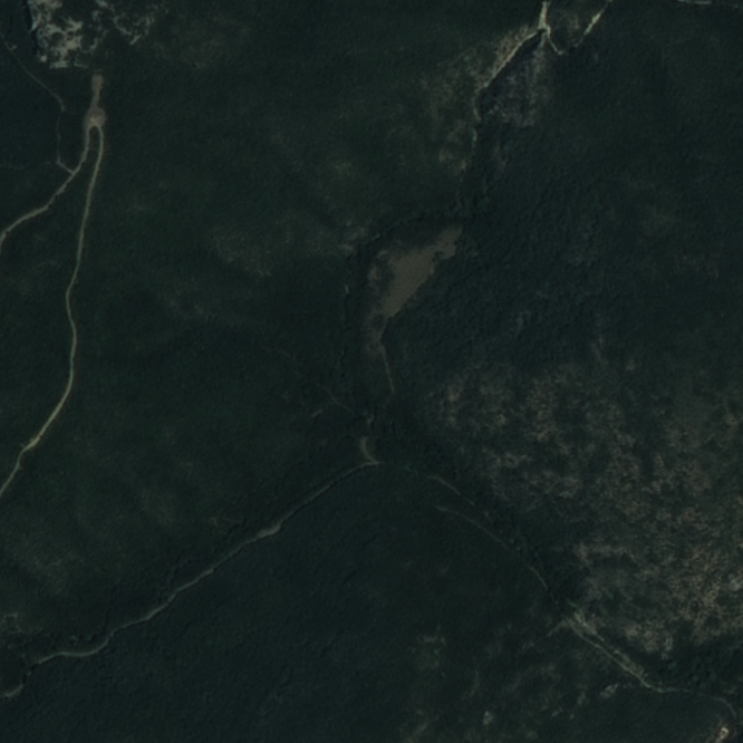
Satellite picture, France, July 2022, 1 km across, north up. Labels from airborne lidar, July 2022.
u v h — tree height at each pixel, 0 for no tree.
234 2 9
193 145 6
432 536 6
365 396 6
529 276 9
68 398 6
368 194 7
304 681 6
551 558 10
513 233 9
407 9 7
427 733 6
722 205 5
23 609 6
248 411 8
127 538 7
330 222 6
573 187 7
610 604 8
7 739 11
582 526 6
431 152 6
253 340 9
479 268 9
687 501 6
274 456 6
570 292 9
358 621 5
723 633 7
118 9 7
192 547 12
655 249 6
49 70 5
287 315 13
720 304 6
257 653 7
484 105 6
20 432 7
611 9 9
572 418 6
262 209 6
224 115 7
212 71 7
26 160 6
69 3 5
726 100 9
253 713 6
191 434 6
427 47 6
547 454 8
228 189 11
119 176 9
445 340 7
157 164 7
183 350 8
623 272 6
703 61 6
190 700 7
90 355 10
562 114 6
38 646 8
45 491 8
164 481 8
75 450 9
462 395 6
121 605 13
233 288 6
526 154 8
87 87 6
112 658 9
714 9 8
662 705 5
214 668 8
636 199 6
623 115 8
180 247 11
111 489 10
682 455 6
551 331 6
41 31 0
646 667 7
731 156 7
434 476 8
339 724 6
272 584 11
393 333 8
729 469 6
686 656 8
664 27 6
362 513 7
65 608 9
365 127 7
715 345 5
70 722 9
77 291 8
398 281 0
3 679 7
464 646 6
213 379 9
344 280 13
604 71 7
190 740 7
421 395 8
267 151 8
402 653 6
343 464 8
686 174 7
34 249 7
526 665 10
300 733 7
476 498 9
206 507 7
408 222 16
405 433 9
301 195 11
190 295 6
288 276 6
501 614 7
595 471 8
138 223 6
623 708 7
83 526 7
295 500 6
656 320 7
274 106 6
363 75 6
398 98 7
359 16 6
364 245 11
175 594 6
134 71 7
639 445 6
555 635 5
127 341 8
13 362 11
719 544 6
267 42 7
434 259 7
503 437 7
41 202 6
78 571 9
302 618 6
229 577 7
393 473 10
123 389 8
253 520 11
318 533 8
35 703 10
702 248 5
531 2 10
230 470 8
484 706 7
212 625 10
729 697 7
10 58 7
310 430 12
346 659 7
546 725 7
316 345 9
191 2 7
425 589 7
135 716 8
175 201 6
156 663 8
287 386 8
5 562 15
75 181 6
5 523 5
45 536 6
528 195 9
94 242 10
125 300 15
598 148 7
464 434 6
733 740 6
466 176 8
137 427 6
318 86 7
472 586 6
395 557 6
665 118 12
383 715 6
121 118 10
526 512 6
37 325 6
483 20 9
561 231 7
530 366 6
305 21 10
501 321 10
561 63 7
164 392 8
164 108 9
